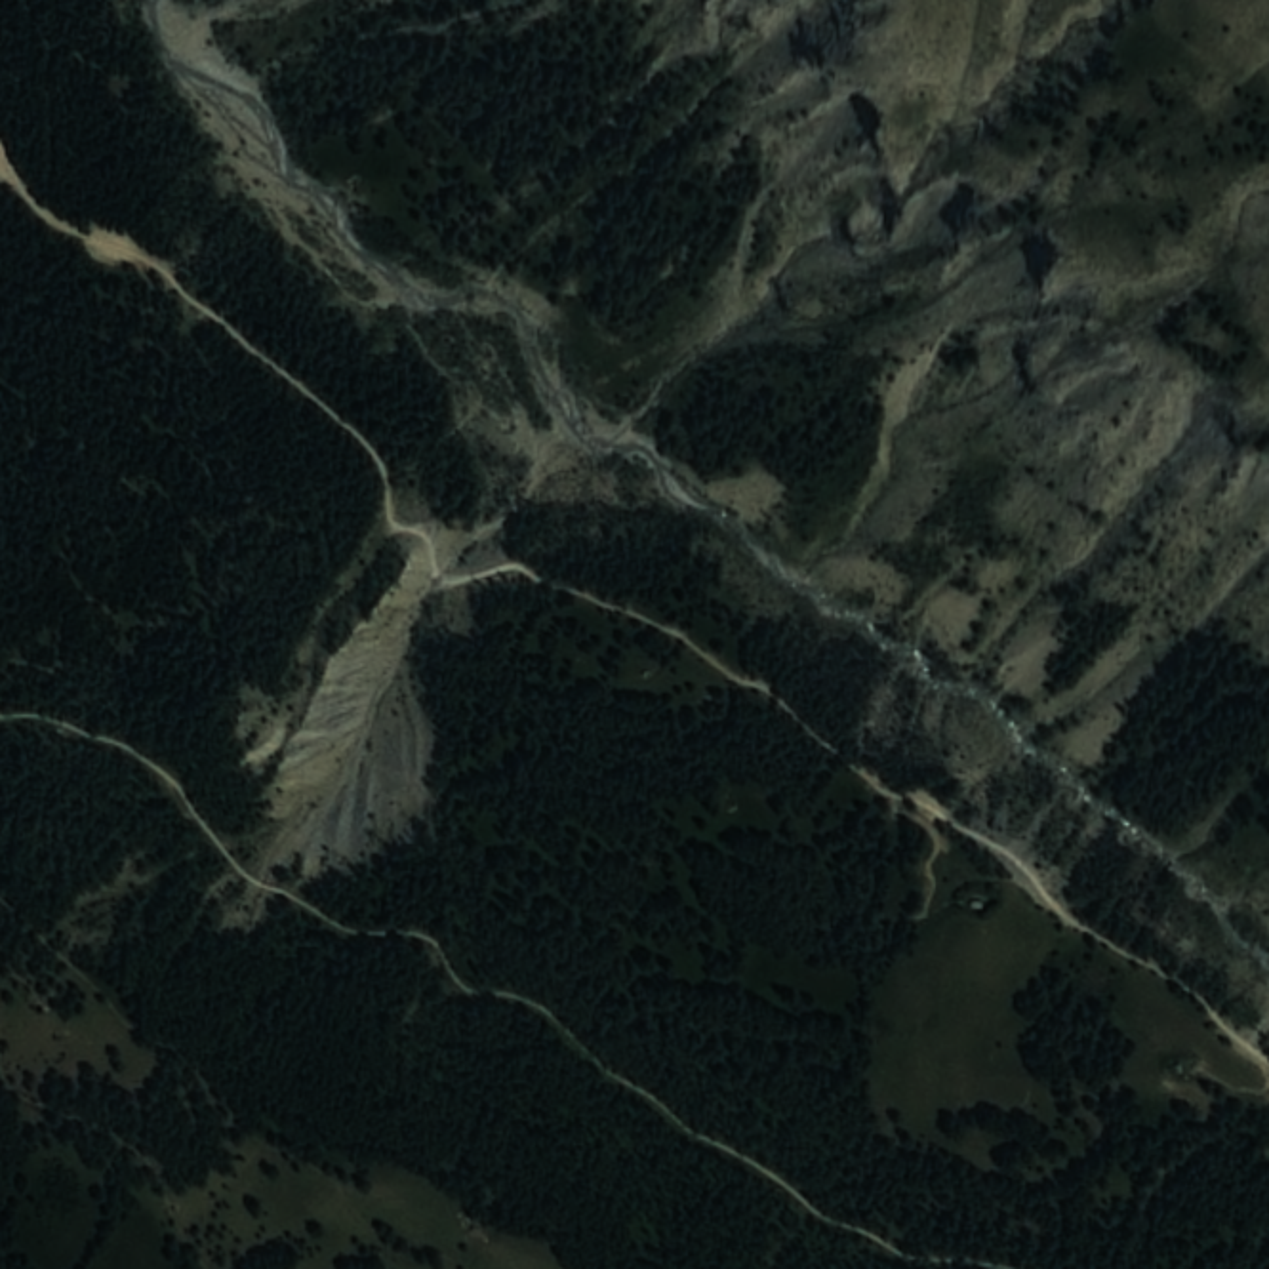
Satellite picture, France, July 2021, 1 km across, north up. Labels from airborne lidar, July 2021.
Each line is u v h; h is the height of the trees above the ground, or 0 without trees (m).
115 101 19
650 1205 24
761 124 0
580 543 10
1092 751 0
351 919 22
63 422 6
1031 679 0
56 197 23
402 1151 20
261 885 0
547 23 13
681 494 0
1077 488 0
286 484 20
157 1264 0
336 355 17
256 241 17
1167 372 0
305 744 0
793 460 20
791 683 22
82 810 22
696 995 30
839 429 16
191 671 10
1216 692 26
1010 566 0
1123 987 0
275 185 0
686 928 28
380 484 16
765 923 27
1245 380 0
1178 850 0
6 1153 21
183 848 17
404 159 0
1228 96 0
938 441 0
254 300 14
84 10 15
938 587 0
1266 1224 17
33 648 9
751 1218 21
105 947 6
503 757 0
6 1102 26
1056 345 0
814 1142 17
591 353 0
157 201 21
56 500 22
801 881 22
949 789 18
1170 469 0
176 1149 22
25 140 24
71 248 9
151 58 9
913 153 0
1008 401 0
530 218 19
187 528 19
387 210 0
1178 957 16
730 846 23
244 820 13
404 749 0
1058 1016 15
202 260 12
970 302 0
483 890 27
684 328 0
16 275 23
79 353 19
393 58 27
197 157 9
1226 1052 0
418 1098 23
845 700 17
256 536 18
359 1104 27
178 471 14
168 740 22
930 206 0
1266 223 0
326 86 11
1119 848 12
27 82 19
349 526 19
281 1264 22
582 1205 20
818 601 0
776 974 0
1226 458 0
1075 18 0
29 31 17
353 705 0
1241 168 0
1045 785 7
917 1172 24
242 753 11
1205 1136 21
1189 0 0
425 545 0
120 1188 16
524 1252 0
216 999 24
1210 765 20
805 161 0
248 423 18
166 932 18
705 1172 25
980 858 12
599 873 20
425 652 6
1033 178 0
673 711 13
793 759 16
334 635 10
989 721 0
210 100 0
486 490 7
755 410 16
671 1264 22
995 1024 0
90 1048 0
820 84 0
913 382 0
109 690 11
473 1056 26
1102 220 0
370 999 25
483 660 17
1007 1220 22
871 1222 22
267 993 24
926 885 0
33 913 20
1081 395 0
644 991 25
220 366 19
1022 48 0
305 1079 27
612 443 0
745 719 13
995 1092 0
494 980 22
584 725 18
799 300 0
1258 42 0
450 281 6
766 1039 23
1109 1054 20
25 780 15
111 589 12
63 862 18
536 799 25
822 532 0
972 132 0
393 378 20
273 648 18
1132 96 0
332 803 0
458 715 16
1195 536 0
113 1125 16
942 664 8
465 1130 26
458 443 7
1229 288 0
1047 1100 0
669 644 17
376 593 10
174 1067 17
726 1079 27
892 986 0
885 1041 0
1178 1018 0
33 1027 0
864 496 0
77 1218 0
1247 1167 14
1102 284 0
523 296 0
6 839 10
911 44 0
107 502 14
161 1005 18
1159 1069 0
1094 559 0
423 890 13
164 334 12
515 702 24
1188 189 0
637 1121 27
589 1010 27
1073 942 0
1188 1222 14
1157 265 0
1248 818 26
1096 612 9
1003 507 0
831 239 0
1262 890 0
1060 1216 17
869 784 0
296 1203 0
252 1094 26
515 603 15
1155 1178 22
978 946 0
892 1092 0
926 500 0
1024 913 0
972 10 0
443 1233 0
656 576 14
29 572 19
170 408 21
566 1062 26
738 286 0
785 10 0
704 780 21
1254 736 28
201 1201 0
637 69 12
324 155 0
